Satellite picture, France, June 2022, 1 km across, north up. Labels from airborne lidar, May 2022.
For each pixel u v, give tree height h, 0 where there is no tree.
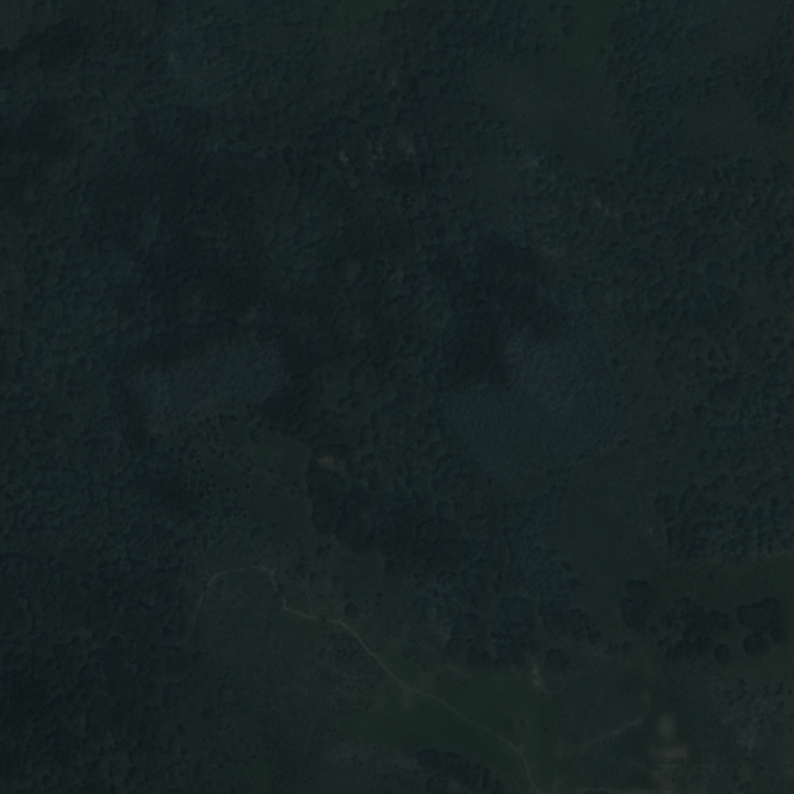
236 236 16
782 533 25
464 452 18
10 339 35
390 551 31
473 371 33
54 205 19
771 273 23
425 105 24
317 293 18
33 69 17
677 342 19
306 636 0
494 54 9
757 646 26
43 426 35
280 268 26
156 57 16
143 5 32
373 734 0
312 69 11
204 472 11
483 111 20
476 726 0
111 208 22
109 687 27
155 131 16
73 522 18
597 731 0
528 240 15
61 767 12
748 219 31
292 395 19
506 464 25
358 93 25
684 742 0
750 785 6
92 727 16
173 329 15
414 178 25
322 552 13
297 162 31
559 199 13
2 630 29
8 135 23
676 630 19
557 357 18
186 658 23
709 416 22
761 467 19
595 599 0
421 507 38
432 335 30
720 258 19
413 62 30
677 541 20
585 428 23
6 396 22
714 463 9
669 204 14
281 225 16
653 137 9
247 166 33
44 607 21
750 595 0
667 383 13
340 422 23
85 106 12
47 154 19
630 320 11
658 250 21
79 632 10
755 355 25
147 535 28
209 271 32
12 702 20
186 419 19
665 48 9
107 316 28
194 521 15
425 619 7
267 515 0
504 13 27
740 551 13
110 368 22
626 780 0
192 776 17
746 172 20
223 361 23
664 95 15
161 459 38
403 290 24
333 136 33
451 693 0
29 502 29
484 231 19
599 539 0
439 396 9
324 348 33
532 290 34
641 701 0
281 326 11
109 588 28
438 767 19
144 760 26
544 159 9
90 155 27
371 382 22
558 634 11
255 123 22
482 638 21
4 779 21
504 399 21
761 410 9
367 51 8
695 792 0
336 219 18
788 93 24
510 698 0
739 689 13
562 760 0
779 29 10
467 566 17
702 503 33
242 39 12
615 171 6
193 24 17
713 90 15
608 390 19
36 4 7
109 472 20
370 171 9
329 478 29
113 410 10
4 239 19
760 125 7
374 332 21
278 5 7
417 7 18
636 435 0
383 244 21
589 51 0
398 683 0
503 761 0
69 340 24
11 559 22
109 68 31
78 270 21
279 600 8
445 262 26
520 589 18
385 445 28
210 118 20
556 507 21
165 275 13
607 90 6
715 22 7
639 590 18
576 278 11
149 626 31
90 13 26
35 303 25
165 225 19
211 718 17
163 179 21
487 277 36
